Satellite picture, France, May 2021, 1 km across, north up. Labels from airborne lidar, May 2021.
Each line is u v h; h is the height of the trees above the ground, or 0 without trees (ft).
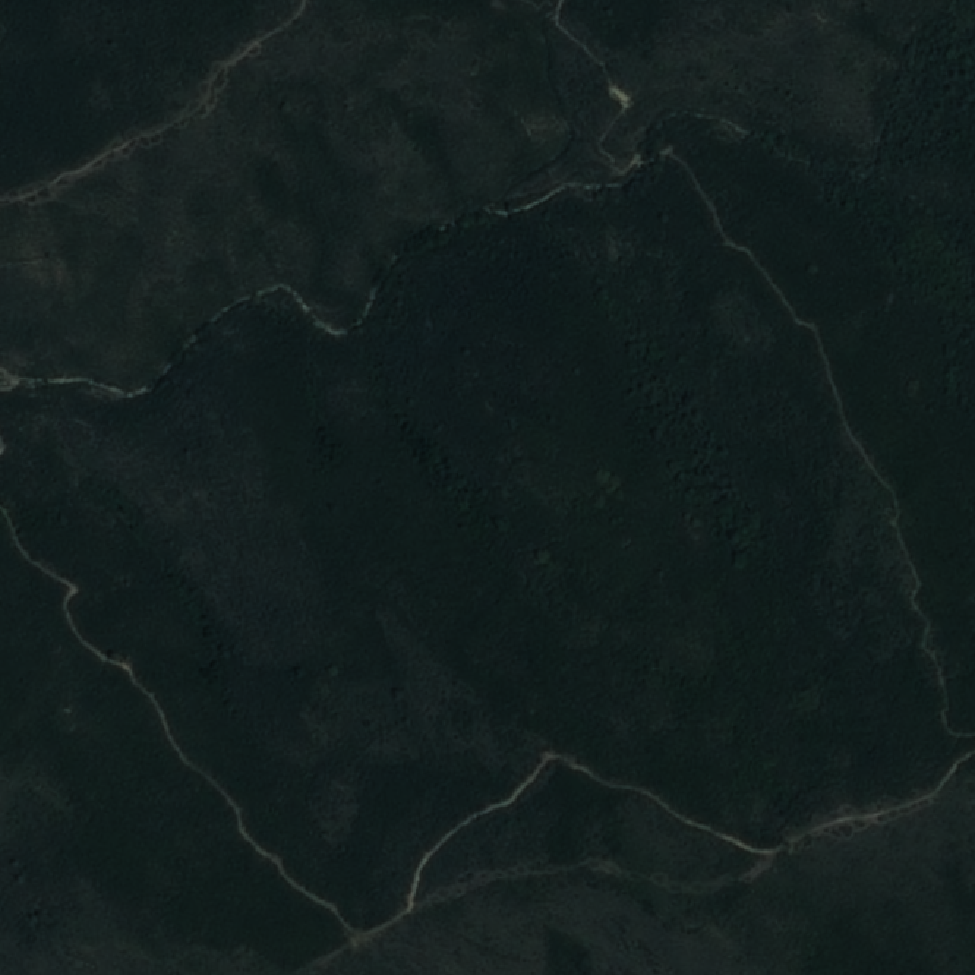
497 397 25
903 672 19
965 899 19
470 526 24
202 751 19
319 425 27
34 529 19
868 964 17
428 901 0
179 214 0
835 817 0
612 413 19
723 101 30
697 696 31
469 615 19
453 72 0
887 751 17
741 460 18
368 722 33
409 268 23
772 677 19
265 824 20
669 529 23
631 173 22
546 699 18
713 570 21
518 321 20
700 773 20
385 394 26
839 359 19
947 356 28
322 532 18
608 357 22
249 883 20
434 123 18
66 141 18
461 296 27
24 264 0
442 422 18
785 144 39
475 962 0
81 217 0
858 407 17
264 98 18
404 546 20
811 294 19
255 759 19
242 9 24
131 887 18
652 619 21
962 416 18
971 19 34
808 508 18
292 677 20
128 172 0
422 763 20
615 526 19
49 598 18
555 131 0
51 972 0
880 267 24
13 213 0
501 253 21
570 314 22
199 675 19
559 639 20
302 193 18
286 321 24
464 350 33
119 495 20
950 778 0
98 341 0
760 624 21
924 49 39
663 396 46
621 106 0
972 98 27
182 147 0
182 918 19
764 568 25
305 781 19
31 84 18
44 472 29
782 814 23
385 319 35
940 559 18
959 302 50
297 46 0
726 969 0
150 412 19
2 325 0
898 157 40
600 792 17
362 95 0
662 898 0
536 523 20
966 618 17
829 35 0
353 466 18
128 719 20
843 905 19
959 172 18
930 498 19
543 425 19
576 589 18
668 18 18
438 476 28
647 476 18
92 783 19
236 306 19
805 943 18
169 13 18
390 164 0
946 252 35
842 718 20
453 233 22
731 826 18
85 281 0
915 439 18
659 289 19
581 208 21
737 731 30
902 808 0
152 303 0
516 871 0
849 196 41
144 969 0
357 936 0
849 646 17
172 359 31
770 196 18
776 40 0
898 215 54
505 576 25
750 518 61
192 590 31
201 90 0
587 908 0
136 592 20
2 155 19
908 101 24
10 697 19
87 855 18
